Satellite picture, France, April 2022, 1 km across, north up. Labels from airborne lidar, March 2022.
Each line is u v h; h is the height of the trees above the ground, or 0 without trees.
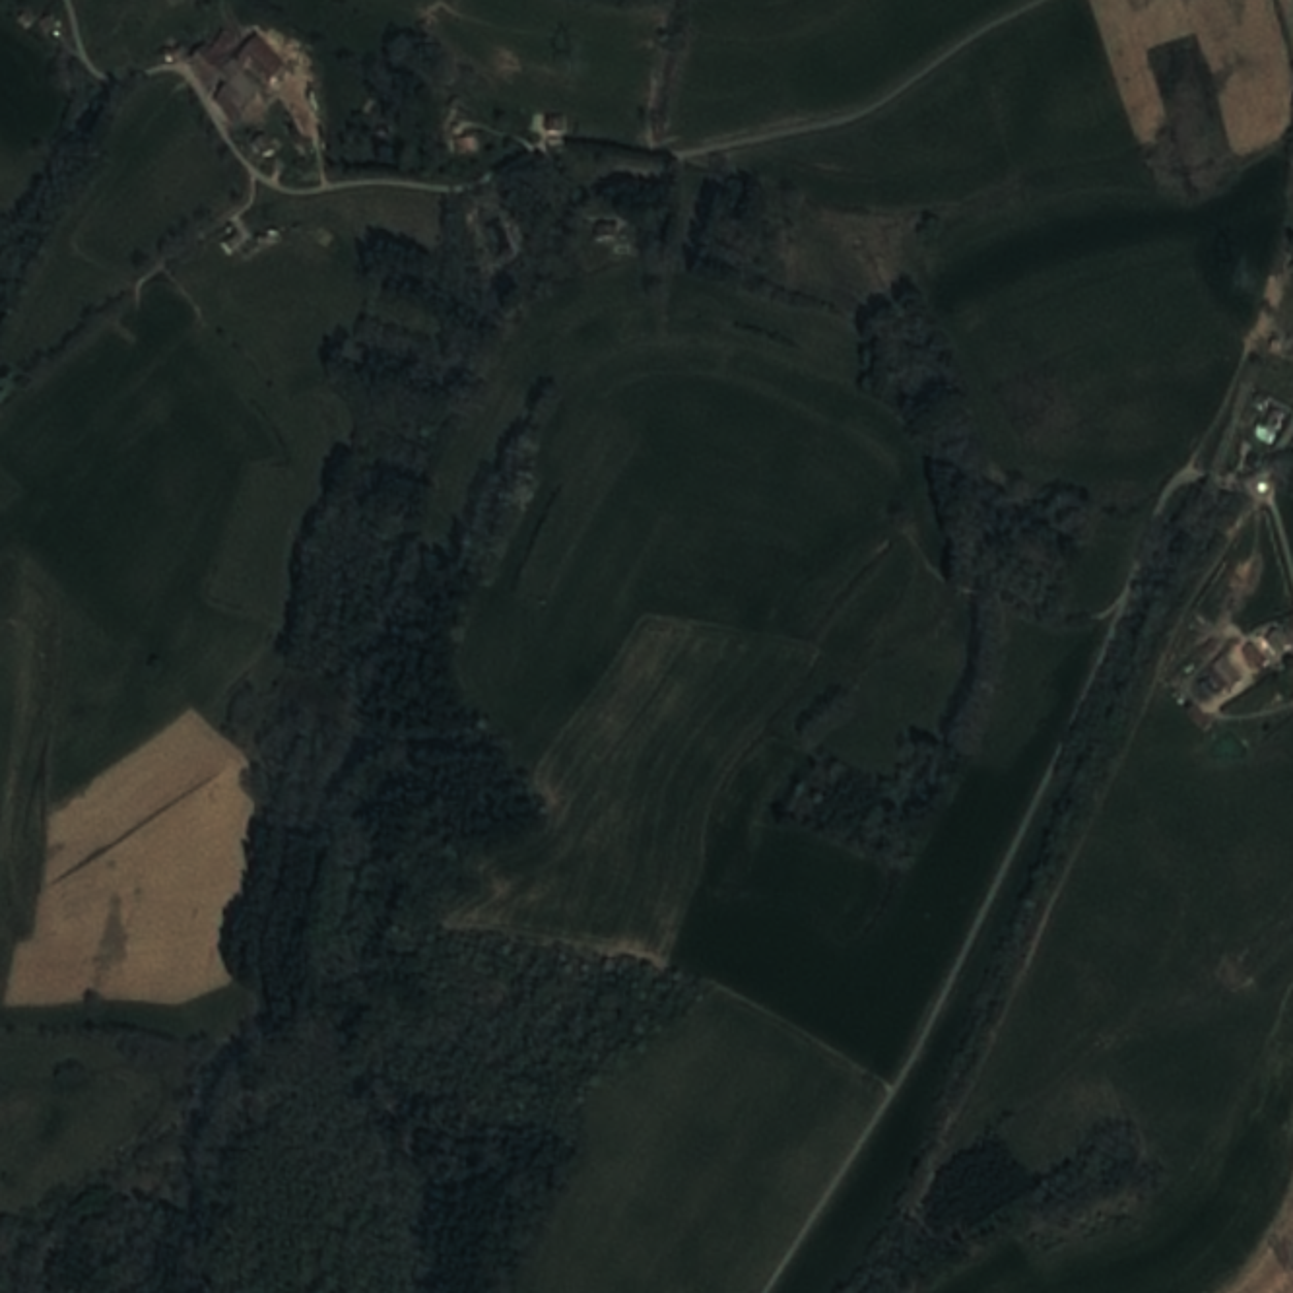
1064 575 10
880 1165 0
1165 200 0
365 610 22
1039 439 0
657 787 0
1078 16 0
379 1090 26
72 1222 10
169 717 0
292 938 26
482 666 0
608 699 0
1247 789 0
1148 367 0
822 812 7
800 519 0
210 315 0
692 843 0
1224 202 0
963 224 0
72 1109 0
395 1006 18
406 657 25
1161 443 0
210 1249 28
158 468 0
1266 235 0
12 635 0
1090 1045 0
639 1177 0
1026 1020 0
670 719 0
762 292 15
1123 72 0
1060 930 0
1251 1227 0
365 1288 15
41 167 0
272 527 0
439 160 19
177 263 12
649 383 0
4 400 13
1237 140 0
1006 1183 11
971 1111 0
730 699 0
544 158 13
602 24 0
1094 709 9
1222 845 0
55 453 0
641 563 0
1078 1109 0
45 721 0
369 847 28
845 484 0
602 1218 0
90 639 0
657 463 0
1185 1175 0
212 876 0
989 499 17
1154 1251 0
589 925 0
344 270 0
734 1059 0
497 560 16
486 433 0
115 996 0
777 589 0
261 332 0
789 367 0
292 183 0
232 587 0
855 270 0
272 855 27
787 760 0
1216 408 0
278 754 18
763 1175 0
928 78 0
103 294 0
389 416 20
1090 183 0
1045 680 0
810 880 0
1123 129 0
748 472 0
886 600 0
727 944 0
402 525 27
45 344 0
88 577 0
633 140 0
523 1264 21
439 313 30
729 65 0
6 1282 22
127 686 0
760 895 0
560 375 0
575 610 0
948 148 0
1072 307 0
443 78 26
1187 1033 0
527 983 13
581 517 0
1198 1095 0
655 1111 0
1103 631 0
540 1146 26
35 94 0
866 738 0
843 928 0
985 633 21
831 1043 0
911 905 0
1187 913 0
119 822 0
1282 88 0
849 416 0
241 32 0
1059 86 0
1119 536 0
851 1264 0
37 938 0
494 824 27
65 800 0
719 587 0
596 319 0
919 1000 0
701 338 0
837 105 0
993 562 15
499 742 18
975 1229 10
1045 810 0
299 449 0
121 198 0
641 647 0
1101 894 0
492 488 20
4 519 0
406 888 13
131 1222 14
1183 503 0
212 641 0
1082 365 0
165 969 0
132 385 0
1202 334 0
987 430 0
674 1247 0
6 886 0
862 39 0
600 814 0
